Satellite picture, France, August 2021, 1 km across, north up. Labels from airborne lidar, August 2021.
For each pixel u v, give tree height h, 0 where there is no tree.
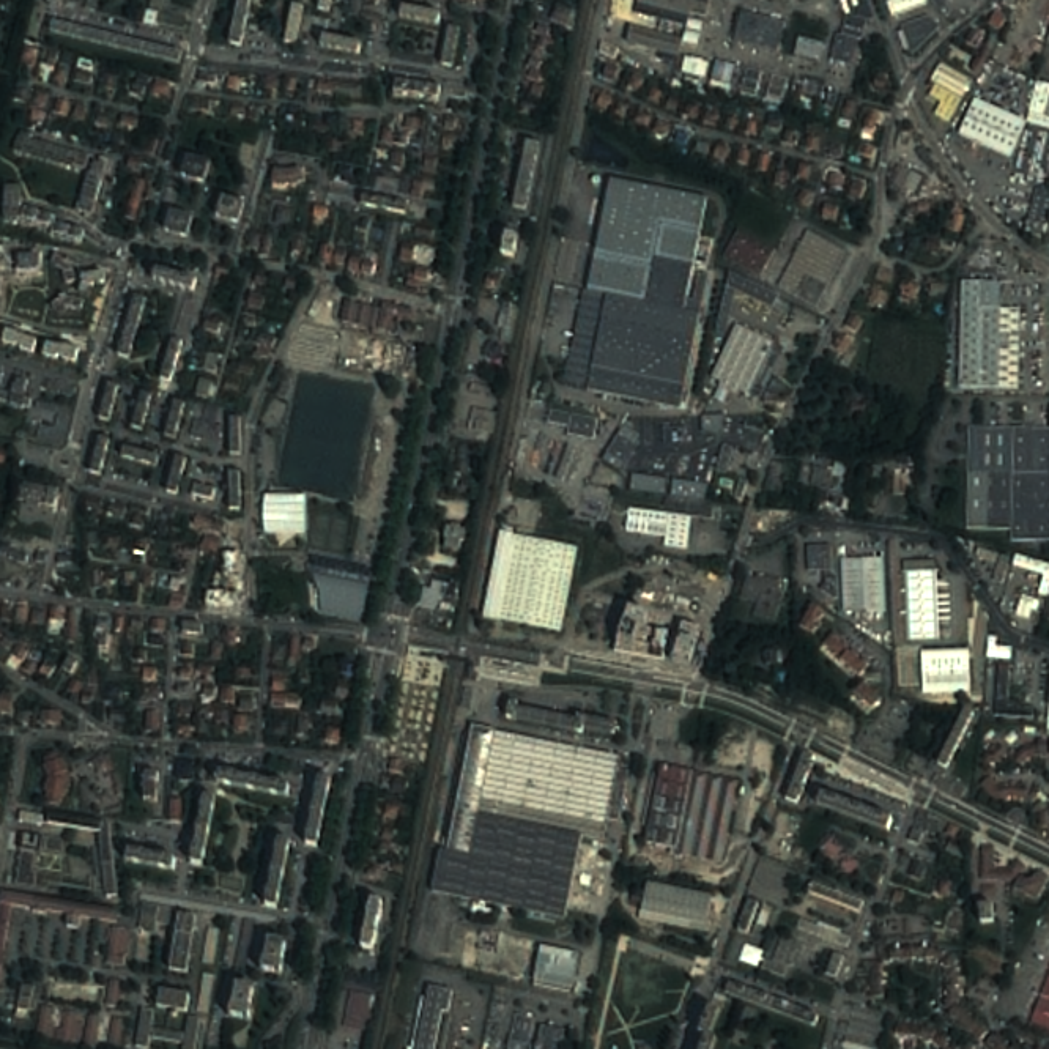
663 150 6
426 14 0
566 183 0
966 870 6
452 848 0
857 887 10
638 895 13
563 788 0
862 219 8
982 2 0
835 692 9
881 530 0
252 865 15
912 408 8
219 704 8
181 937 0
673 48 0
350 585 0
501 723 0
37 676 7
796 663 15
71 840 10
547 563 0
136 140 9
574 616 0
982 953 0
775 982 7
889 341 0
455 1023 0
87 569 11
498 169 17
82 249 0
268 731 5
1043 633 11
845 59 0
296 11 0
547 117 9
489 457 7
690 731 0
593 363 0
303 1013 0
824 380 14
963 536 10
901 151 0
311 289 14
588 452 0
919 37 0
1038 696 0
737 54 0
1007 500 0
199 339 11
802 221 0
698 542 0
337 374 0
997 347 0
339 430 0
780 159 7
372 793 13
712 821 0
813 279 0
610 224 0
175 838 0
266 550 0
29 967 13
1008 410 0
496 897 0
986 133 0
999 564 0
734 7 0
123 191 8
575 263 0
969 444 0
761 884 0
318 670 7
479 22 14
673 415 0
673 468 0
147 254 14
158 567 7
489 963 0
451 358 15
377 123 8
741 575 13
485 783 0
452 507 0
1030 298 0
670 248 0
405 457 17
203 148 14
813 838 0
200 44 0
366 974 11
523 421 0
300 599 0
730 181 5
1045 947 0
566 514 0
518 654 0
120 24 0
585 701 0
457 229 16
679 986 0
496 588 0
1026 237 17
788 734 0
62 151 0
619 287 0
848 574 0
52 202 10
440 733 0
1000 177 0
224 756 0
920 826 0
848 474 9
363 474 0
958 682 0
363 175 15
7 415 11
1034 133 0
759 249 0
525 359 0
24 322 0
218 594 0
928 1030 0
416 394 16
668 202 0
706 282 0
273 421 0
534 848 0
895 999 14
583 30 0
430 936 0
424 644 0
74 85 8
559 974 0
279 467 0
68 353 0
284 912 0
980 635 0
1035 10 0
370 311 0
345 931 23
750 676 15
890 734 0
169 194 0
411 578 18
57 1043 8
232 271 11
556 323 0
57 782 0
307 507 0
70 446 0
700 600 0
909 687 0
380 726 15
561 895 0
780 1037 12
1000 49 0
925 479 8
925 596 0
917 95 0
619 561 0
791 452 7
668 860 0
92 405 0
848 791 0
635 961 0
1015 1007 0
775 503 6
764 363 0
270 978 8
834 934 0
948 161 0
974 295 0
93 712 10
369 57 0
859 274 0
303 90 14
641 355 0
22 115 17
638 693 0
